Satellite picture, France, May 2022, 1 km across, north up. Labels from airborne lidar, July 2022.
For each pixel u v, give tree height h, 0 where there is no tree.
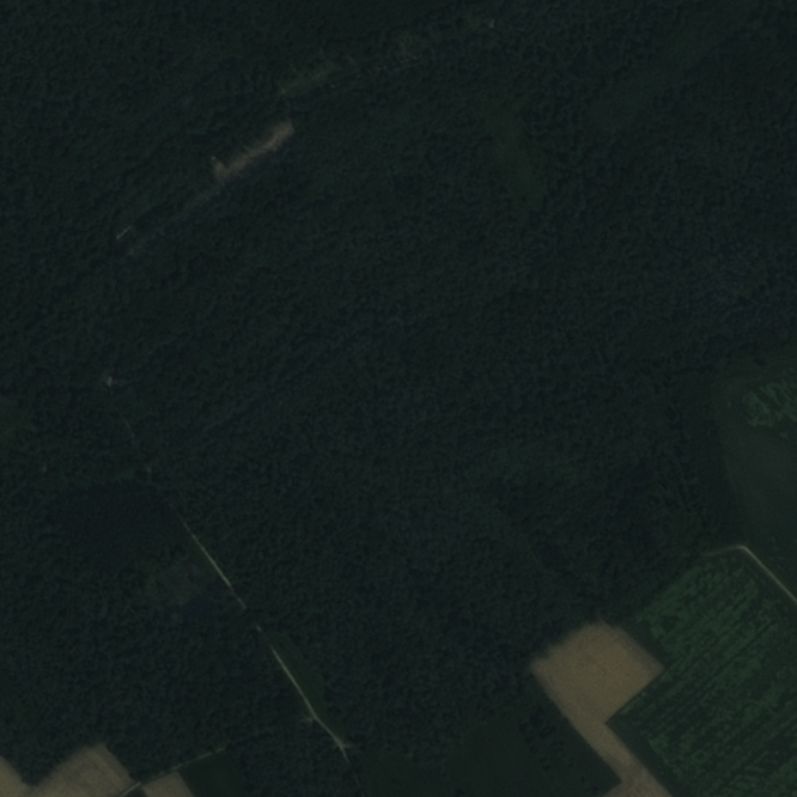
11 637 26
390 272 22
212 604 15
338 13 17
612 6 13
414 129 24
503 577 19
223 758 0
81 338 24
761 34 27
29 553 19
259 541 26
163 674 13
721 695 0
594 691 0
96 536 35
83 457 13
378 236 32
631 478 22
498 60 23
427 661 18
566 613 23
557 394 25
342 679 27
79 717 23
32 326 18
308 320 6
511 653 28
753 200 30
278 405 27
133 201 24
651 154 25
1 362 29
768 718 0
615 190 23
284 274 28
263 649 28
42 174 23
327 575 19
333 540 24
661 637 0
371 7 20
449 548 24
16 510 21
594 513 21
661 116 23
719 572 0
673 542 26
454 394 32
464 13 21
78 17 26
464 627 32
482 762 0
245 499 11
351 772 19
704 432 13
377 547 27
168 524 31
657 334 18
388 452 25
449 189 29
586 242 25
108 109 21
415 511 28
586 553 22
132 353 20
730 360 24
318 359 11
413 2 6
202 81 25
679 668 0
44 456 21
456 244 17
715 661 0
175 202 21
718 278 20
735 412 0
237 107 23
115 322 29
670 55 18
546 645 31
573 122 29
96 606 8
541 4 19
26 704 10
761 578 0
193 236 29
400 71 21
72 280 9
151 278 27
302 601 11
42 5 22
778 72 30
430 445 29
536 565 23
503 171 25
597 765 0
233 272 24
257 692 32
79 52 24
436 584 26
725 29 14
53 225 28
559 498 22
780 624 0
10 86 31
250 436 33
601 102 17
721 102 22
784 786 0
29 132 26
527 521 27
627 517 28
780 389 0
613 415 14
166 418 30
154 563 15
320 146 22
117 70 26
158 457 24
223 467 33
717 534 9
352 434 19
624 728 0
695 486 17
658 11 21
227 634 31
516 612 20
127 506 35
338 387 29
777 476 0
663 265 24
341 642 25
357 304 17
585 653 0
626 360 19
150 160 22
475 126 26
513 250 18
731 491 9
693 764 0
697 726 0
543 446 22
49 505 34
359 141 24
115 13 28
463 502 26
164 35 24
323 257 31
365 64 6
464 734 7
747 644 0
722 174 22
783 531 0
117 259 25
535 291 11
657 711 0
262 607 11
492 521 22
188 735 7
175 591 0
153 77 11
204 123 22
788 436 0
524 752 0
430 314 24
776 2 28
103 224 16
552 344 22
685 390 15
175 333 10
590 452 19
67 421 20
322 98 18
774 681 0
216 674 37
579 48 12
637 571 24
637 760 0
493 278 26
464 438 13
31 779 19
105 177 16
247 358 10
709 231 27
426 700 26
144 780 20
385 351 34
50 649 14
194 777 0
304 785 22
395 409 28
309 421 33
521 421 28
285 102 15
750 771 0
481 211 31
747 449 0
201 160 21
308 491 31
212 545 10
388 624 27
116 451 31
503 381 32
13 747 30
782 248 22
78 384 27
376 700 28
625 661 0
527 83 29
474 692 21
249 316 24
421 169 29
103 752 0
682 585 0
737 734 0
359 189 28
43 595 21
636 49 28
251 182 26
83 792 0
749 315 23
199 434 36
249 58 24
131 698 15
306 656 25
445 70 21
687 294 25
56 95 27
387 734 22
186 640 22
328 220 23
